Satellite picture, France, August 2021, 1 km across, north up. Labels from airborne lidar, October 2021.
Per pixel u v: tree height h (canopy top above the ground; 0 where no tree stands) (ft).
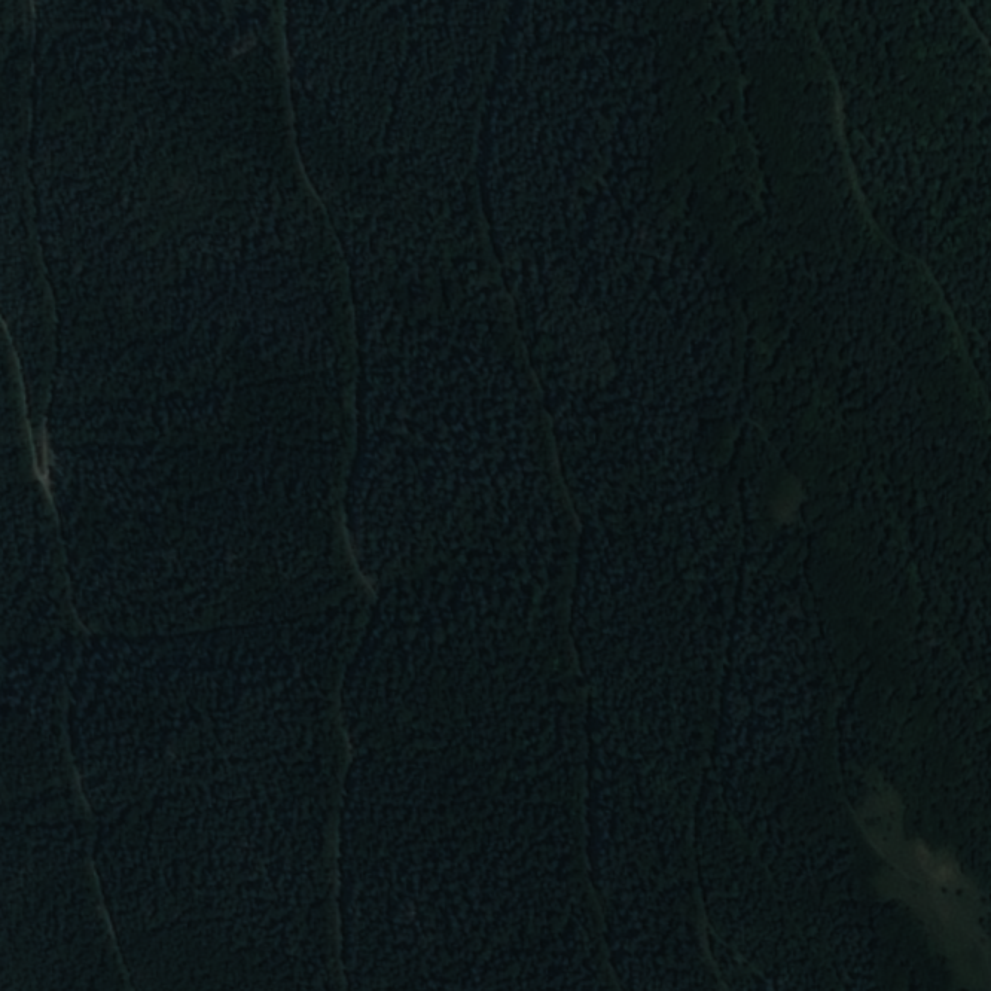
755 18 68
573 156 56
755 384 42
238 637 65
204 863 36
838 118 75
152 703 41
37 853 52
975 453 78
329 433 64
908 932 64
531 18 83
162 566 34
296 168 30
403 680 44
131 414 40
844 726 50
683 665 43
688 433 74
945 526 81
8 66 37
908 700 52
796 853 44
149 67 89
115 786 43
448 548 61
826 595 57
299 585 47
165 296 53
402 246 28
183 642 55
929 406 60
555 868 69
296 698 82
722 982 80
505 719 49
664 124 56
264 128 25
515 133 82
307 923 50
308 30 59
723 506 66
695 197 42
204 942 57
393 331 75
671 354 83
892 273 82
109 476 81
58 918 53
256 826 85
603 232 91
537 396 22
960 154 88
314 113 41
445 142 67
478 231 61
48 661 41
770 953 43
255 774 74
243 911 69
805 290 74
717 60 55
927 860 0
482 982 80
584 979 60
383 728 53
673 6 63
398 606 48
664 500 31
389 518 59
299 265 30
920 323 78
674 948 20
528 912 75
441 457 44
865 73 76
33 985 43
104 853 51
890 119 54
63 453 61
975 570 81
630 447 28
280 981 67
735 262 59
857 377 55
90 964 50
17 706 49
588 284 64
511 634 42
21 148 39
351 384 49
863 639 41
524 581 93
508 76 71
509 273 25
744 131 71
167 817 62
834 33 81
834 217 88
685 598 67
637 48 52
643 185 76
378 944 55
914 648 51
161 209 21
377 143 71
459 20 83
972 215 63
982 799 36
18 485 37
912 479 63
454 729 44
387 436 59
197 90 29
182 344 43
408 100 82
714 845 48
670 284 78
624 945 68
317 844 50
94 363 67
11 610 61
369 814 49
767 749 64
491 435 115
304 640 62
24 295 38
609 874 54
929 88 68
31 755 78
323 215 24
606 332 55
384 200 30
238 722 79
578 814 47
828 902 77
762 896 50
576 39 73
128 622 79
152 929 40
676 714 64
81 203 47
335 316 82
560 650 35
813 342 56
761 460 21
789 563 67
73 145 45
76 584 19
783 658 83
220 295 50
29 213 54
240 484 50
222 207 18
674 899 54
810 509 40
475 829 52
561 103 59
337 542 76
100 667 36
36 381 52
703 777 18
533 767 75
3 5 45
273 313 76
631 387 59
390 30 91
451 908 30
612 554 67
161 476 48
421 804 66
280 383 43
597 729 43
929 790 31
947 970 31
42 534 71
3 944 41
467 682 36
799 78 69
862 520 59
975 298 85
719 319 48
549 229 79
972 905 0
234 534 80
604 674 64
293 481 28
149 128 42
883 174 81
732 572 38
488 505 105
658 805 46
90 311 33
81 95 52
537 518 65
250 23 78
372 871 42
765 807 70
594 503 96
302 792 61
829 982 49
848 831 23
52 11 49
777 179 63
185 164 17
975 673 58
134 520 32
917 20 62
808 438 45
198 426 90
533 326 26
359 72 68
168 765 65
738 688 30
